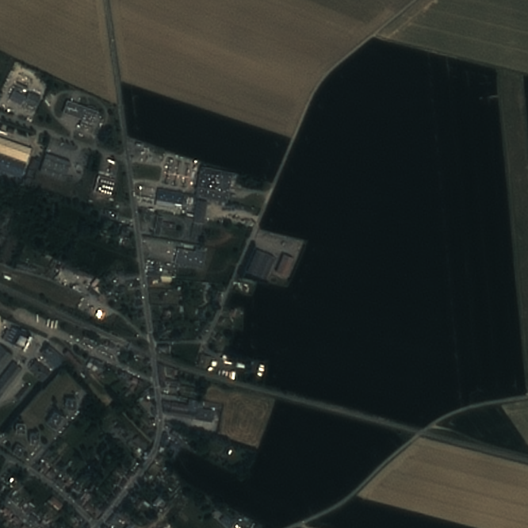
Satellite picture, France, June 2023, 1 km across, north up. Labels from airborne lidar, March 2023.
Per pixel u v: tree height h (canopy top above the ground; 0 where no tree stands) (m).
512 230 0
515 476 0
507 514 0
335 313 0
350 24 0
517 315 0
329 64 0
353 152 0
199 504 12
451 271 0
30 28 0
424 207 0
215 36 0
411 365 0
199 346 0
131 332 0
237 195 0
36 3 0
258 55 0
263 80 0
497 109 0
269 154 0
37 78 0
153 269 0
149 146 0
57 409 15
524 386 0
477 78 0
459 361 0
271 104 0
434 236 0
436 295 0
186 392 0
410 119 0
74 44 0
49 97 0
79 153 0
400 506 0
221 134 0
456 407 0
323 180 0
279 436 0
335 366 0
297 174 0
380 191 0
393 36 0
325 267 0
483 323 0
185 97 0
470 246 0
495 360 0
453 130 0
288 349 0
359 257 0
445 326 0
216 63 0
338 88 0
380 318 0
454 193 0
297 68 0
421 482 0
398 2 0
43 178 0
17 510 0
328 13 0
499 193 0
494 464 0
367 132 0
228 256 0
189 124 0
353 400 0
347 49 0
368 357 0
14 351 0
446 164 0
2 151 0
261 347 0
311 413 0
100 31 0
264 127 0
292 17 0
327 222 0
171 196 0
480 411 0
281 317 0
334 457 0
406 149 0
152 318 0
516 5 0
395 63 0
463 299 0
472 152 0
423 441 0
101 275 13
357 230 0
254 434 0
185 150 0
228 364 0
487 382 0
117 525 0
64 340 0
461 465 0
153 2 0
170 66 0
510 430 0
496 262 0
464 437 0
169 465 18
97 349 0
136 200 0
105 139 20
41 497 0
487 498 0
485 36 0
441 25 0
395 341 0
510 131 0
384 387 0
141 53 0
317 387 0
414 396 0
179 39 0
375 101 0
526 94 0
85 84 0
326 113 0
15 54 0
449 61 0
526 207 0
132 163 0
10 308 0
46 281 0
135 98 0
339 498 0
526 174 0
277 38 0
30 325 0
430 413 0
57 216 18
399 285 0
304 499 0
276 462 0
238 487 0
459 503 0
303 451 0
